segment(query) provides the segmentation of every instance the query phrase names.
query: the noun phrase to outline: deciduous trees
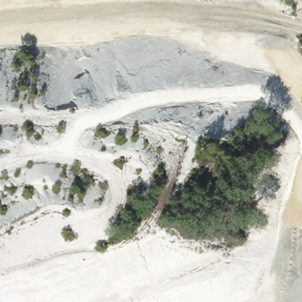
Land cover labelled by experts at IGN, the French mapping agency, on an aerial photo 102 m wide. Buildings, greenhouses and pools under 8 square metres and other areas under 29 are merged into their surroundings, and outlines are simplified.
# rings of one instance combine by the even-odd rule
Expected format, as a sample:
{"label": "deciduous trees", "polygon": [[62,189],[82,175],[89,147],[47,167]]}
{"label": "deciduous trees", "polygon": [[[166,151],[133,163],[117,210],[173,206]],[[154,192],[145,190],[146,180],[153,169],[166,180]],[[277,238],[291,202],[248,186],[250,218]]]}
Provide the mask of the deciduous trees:
{"label": "deciduous trees", "polygon": [[249,110],[249,116],[238,119],[236,126],[230,130],[230,137],[234,139],[232,142],[224,142],[219,149],[214,144],[209,144],[208,149],[204,149],[196,144],[192,162],[198,163],[198,168],[191,170],[188,179],[183,183],[184,190],[177,191],[164,206],[156,222],[159,228],[176,228],[183,238],[196,241],[224,237],[226,247],[235,248],[247,242],[250,228],[263,229],[268,224],[268,216],[257,208],[254,179],[264,170],[265,160],[273,158],[277,147],[285,144],[290,125],[273,107],[268,107],[263,100],[258,99]]}
{"label": "deciduous trees", "polygon": [[118,205],[116,216],[110,218],[110,226],[105,230],[109,239],[97,242],[97,251],[105,252],[110,245],[130,241],[137,235],[140,222],[151,217],[152,212],[156,210],[160,190],[168,180],[165,164],[160,163],[153,171],[150,184],[143,180],[142,183],[131,185],[127,189],[126,203]]}

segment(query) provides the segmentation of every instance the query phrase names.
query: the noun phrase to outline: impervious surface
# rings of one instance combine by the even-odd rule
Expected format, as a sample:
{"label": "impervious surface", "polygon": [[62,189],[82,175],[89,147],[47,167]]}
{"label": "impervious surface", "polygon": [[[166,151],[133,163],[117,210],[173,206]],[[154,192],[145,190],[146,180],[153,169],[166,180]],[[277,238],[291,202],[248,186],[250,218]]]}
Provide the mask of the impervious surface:
{"label": "impervious surface", "polygon": [[285,288],[280,302],[302,302],[302,157],[297,165],[293,188],[285,204],[280,241],[270,268],[270,275],[275,278],[274,281]]}
{"label": "impervious surface", "polygon": [[275,71],[273,74],[280,77],[284,86],[288,87],[291,97],[289,110],[295,112],[302,122],[302,55],[296,47],[287,52],[264,50],[265,59]]}

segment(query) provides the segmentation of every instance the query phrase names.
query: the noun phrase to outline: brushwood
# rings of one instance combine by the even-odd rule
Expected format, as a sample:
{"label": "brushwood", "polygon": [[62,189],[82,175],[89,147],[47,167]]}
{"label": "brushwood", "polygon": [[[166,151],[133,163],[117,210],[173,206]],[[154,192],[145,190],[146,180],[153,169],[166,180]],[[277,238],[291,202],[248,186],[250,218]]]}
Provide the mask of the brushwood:
{"label": "brushwood", "polygon": [[87,189],[94,184],[94,177],[87,169],[81,168],[79,160],[75,159],[71,166],[74,180],[68,201],[73,201],[74,195],[78,193],[79,202],[83,203]]}
{"label": "brushwood", "polygon": [[19,99],[19,93],[22,91],[27,104],[33,104],[35,98],[44,96],[41,90],[37,90],[39,65],[35,60],[29,61],[31,55],[19,51],[15,53],[12,63],[14,71],[20,74],[20,77],[13,79],[12,101],[14,103]]}

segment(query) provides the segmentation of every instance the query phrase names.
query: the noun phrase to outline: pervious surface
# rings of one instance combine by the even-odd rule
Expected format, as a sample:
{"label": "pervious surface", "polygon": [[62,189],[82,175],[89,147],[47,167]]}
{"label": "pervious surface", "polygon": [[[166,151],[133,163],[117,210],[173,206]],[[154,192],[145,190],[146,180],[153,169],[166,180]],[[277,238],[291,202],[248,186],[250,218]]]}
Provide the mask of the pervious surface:
{"label": "pervious surface", "polygon": [[[302,55],[302,0],[0,0],[0,302],[280,302],[285,288],[274,281],[275,278],[270,275],[270,268],[280,241],[285,204],[293,188],[297,165],[302,157],[302,122],[295,112],[289,110],[291,97],[288,87],[284,86],[280,77],[273,74],[275,71],[265,59],[264,50],[287,52],[296,47]],[[19,99],[14,103],[12,101],[13,79],[20,77],[20,74],[14,71],[12,63],[15,53],[19,51],[31,55],[29,61],[35,60],[39,65],[37,90],[41,90],[44,96],[35,98],[33,104],[27,104],[22,91],[19,93]],[[183,238],[176,228],[159,228],[156,222],[164,206],[177,191],[184,190],[183,183],[188,179],[191,170],[198,168],[198,163],[192,162],[196,144],[204,149],[208,149],[209,144],[214,144],[219,149],[224,142],[232,142],[234,139],[230,137],[230,130],[236,126],[238,119],[249,116],[249,110],[258,99],[263,100],[268,107],[273,107],[290,125],[285,144],[277,147],[273,158],[265,160],[264,170],[254,179],[257,208],[268,216],[268,224],[263,229],[250,228],[247,242],[235,248],[226,247],[224,237],[196,241]],[[79,202],[78,193],[74,195],[73,201],[68,201],[74,180],[71,166],[75,159],[79,160],[81,168],[87,169],[94,177],[94,184],[87,189],[83,203]],[[110,226],[110,218],[116,216],[118,205],[126,203],[127,189],[131,185],[142,183],[143,180],[150,184],[153,171],[160,163],[165,164],[168,180],[160,190],[156,210],[152,212],[151,217],[140,222],[137,235],[130,241],[110,245],[105,252],[97,251],[97,242],[109,239],[105,230]]]}

